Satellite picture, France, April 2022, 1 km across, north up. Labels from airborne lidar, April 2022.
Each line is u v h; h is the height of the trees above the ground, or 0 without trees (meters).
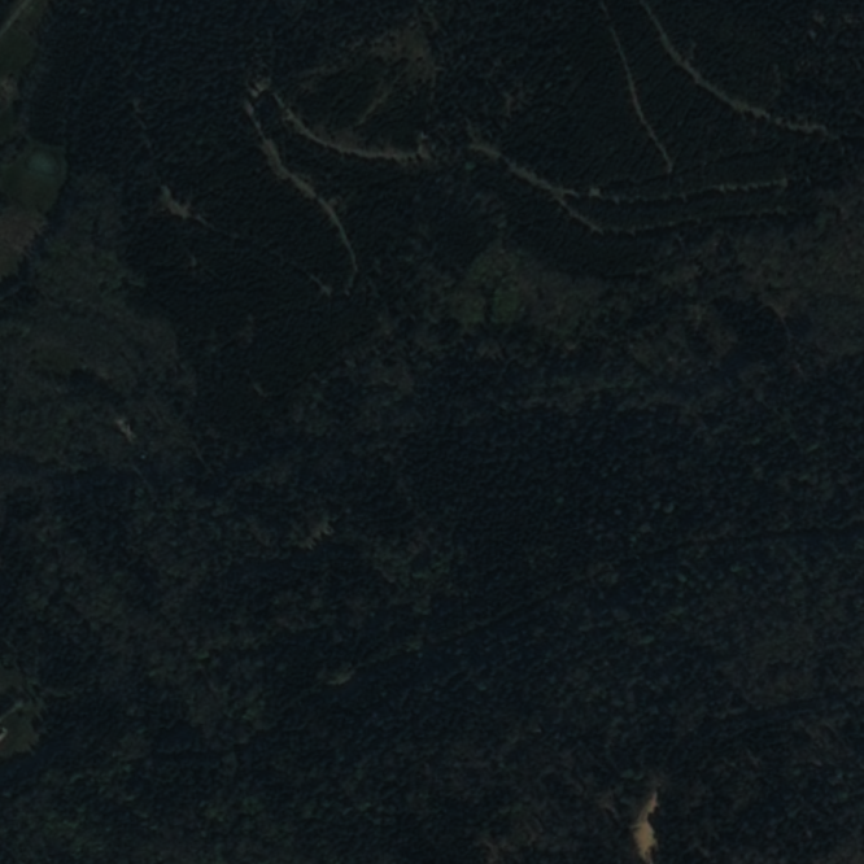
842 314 25
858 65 31
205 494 33
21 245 0
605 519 32
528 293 34
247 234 7
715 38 16
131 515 24
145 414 20
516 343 32
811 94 29
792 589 31
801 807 14
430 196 25
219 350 16
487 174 14
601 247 14
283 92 8
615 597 16
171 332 19
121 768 27
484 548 29
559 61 15
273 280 14
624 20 11
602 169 12
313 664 23
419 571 22
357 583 15
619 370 23
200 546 33
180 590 31
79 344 22
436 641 13
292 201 12
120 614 28
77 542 31
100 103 25
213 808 28
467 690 17
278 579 24
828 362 24
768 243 36
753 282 24
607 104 14
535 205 10
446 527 29
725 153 14
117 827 31
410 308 17
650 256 16
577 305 34
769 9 23
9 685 0
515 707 34
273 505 27
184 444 9
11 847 26
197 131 24
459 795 11
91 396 13
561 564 29
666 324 12
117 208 31
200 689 30
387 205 11
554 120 9
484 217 23
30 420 23
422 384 19
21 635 21
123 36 26
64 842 27
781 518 27
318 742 28
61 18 17
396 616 21
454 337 19
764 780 8
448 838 15
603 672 24
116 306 22
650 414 24
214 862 30
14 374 18
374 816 22
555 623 12
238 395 14
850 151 10
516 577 27
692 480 27
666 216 15
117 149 26
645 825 0
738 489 37
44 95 19
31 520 32
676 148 15
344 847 24
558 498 32
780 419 35
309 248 15
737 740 15
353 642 24
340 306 13
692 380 13
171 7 30
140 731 28
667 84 14
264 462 32
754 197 16
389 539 23
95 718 25
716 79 14
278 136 11
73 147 24
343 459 27
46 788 30
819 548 37
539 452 36
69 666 28
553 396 34
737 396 28
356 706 21
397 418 32
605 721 15
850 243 33
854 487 33
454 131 6
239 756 30
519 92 17
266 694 29
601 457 31
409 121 6
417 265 11
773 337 22
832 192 32
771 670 18
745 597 20
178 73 27
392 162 8
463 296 12
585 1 15
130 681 27
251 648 12
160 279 14
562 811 11
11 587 28
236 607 34
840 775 31
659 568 19
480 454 36
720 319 8
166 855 28
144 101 28
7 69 0
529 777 11
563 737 29
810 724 28
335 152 8
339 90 8
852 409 34
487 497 29
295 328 16
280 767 27
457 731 33
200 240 14
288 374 14
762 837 15
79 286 16
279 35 27
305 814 32
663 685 18
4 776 12
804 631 37
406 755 29
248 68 29
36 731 11
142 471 21
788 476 36
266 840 31
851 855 25
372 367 27
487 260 35
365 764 30
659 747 20
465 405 24
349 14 27
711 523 25
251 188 10
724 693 17
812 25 22
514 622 16
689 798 17
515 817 13
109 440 23
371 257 11
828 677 29
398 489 25
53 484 33
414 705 32
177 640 28
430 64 0
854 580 33
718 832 14
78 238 18
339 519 17
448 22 6
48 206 0
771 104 13
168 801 23
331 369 21
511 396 35
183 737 29
